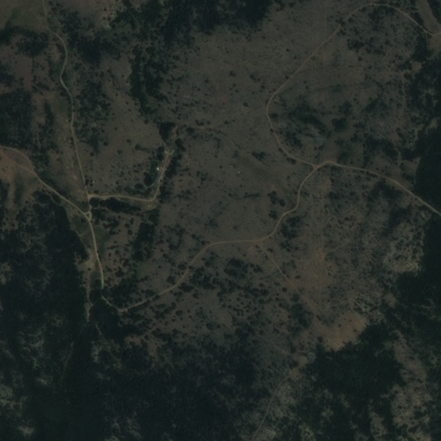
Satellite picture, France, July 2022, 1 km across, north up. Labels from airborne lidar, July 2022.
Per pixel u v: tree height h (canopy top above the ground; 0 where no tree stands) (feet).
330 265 0
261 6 31
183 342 19
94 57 19
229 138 0
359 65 0
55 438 18
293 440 28
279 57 0
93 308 24
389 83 20
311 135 0
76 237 28
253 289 19
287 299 0
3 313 22
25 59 0
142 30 19
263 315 0
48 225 22
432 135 21
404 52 0
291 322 0
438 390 23
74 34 25
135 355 19
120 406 28
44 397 25
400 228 0
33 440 29
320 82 0
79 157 0
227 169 0
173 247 31
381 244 0
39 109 0
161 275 0
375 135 0
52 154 0
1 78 24
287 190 0
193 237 24
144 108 26
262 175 0
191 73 0
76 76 0
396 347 0
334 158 0
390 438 23
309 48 0
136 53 26
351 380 17
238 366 22
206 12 23
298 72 0
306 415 20
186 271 0
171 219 0
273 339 0
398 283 28
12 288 19
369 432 23
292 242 0
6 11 0
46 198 28
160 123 22
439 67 30
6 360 18
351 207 0
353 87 0
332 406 28
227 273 23
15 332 21
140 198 0
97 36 19
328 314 0
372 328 26
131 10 23
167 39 25
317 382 26
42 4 0
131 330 30
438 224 22
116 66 0
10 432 24
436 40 0
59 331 36
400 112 0
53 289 27
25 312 22
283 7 25
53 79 19
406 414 0
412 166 0
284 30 0
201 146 0
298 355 0
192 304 0
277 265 0
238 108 0
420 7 0
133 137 0
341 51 0
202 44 0
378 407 21
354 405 26
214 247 0
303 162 0
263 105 0
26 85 0
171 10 17
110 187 0
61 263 25
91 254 0
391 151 19
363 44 23
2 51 0
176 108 19
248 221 0
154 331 25
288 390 0
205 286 23
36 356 18
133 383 21
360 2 0
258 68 0
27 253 20
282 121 0
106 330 33
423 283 31
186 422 20
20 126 18
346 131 0
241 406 24
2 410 26
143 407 23
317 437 29
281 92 0
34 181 0
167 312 21
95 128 21
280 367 0
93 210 25
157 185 0
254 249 0
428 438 0
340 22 18
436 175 34
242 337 23
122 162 0
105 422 22
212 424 24
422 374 0
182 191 19
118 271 17
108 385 28
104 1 0
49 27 0
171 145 0
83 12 0
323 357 20
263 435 0
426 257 31
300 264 0
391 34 0
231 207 0
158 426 18
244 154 0
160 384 18
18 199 0
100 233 0
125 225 21
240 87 0
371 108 17
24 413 20
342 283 0
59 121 0
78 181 0
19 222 18
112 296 27
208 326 23
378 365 30
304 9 0
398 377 20
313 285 0
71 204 0
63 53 19
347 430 19
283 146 0
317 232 0
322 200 0
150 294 27
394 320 24
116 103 0
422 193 20
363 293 0
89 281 0
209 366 18
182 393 22
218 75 0
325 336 0
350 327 0
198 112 0
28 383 25
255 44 0
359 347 31
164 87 0
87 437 28
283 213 0
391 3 20
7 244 21
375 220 0
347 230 0
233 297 0
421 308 20
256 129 0
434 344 26
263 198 0
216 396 29
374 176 21
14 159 0
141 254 22
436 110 23
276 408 0
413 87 18
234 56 0
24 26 0
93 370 24
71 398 21
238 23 17
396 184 0
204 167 0
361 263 0
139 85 34
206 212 0
